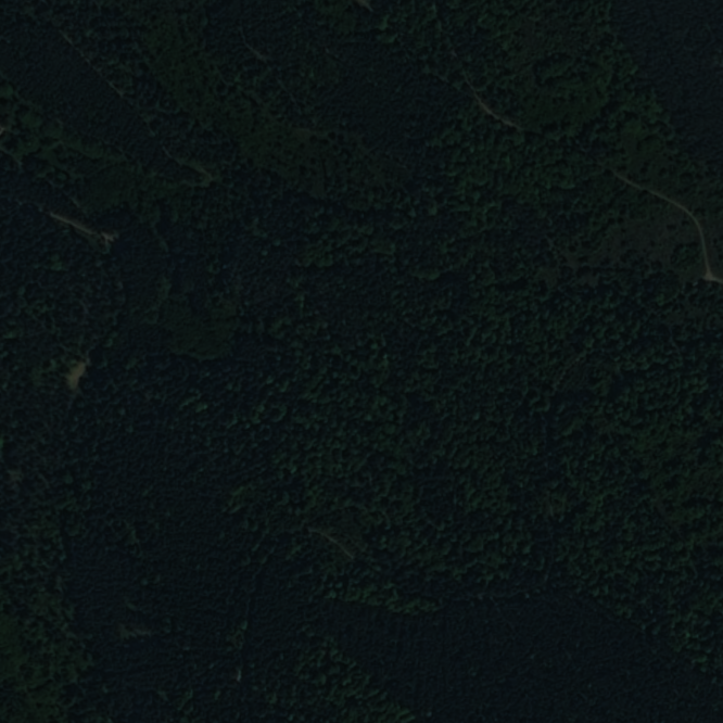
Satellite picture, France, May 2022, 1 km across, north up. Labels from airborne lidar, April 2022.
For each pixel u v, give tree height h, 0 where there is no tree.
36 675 13
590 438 23
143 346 22
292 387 34
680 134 21
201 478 27
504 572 30
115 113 21
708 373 26
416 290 25
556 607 23
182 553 25
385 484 27
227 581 21
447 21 21
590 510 23
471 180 26
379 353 13
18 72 23
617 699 21
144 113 21
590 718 19
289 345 26
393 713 26
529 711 19
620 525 24
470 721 20
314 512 7
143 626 26
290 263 22
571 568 24
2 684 16
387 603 29
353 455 27
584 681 18
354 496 20
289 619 20
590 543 22
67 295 25
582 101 16
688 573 24
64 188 32
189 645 25
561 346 12
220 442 24
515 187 26
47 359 24
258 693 19
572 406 21
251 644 18
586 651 21
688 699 18
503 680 12
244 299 30
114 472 25
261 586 19
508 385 25
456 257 28
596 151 22
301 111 17
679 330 10
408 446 32
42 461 13
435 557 30
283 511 6
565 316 26
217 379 34
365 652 22
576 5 9
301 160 8
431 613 19
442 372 25
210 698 28
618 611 23
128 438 25
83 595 33
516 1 21
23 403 30
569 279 13
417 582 34
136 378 24
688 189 9
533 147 21
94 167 14
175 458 29
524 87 9
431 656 23
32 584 22
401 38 17
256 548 23
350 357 32
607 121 20
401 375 30
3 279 34
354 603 24
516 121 7
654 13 23
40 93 12
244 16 17
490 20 23
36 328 31
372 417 33
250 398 31
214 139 28
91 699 28
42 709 12
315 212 25
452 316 7
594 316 21
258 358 28
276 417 31
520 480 21
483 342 27
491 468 23
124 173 18
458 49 26
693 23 22
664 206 12
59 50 24
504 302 24
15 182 27
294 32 18
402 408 32
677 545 22
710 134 23
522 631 23
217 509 23
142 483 26
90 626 29
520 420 24
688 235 0
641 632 15
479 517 31
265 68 19
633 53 22
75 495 37
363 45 20
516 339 26
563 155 24
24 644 19
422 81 23
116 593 33
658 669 13
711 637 21
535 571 12
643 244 0
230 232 19
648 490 23
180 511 25
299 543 18
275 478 29
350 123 21
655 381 26
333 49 19
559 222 26
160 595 20
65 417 25
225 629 17
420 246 27
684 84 25
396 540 31
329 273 26
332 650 26
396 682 22
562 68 18
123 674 34
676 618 25
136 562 27
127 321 23
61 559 20
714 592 22
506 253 25
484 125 8
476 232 27
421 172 22
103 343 26
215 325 15
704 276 0
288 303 28
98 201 15
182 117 30
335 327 26
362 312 23
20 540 10
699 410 26
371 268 24
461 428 27
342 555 7
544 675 15
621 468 24
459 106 22
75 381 0
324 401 31
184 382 23
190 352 15
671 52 24
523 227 26
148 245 32
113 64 21
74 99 24
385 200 9
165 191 17
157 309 11
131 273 31
